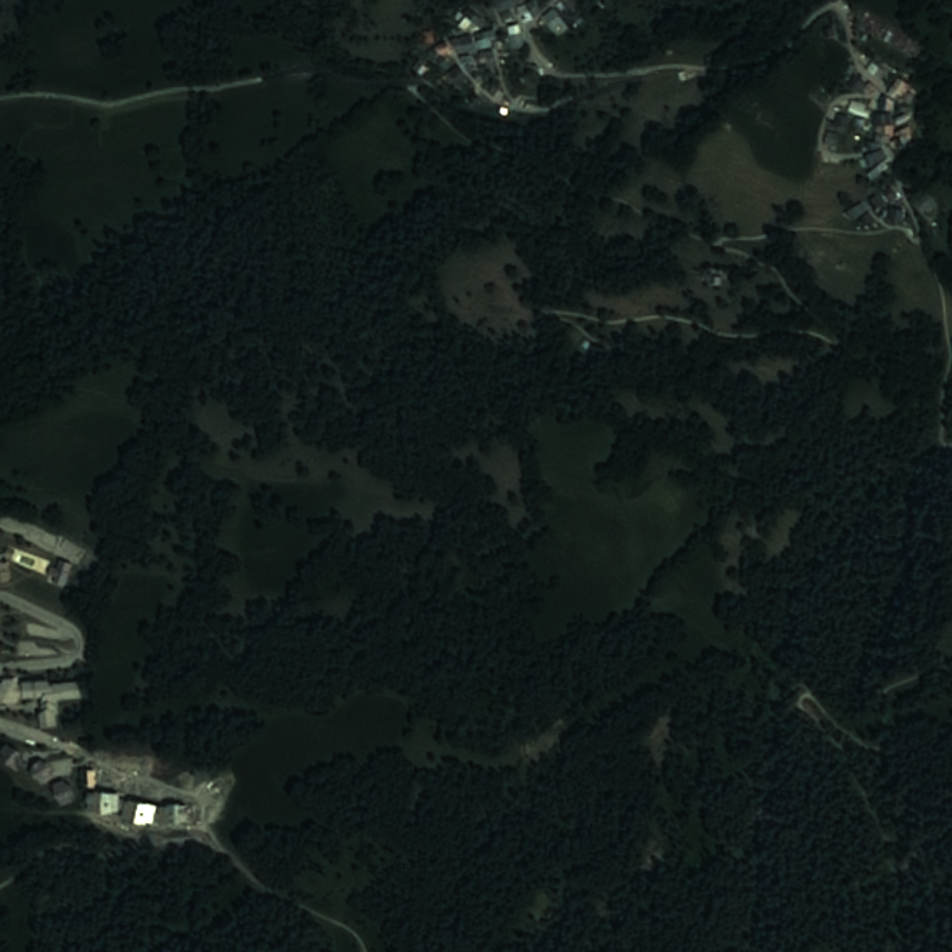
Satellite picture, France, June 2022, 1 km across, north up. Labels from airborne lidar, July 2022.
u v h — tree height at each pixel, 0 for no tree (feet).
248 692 81
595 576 0
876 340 64
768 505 63
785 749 94
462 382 81
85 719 57
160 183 35
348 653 103
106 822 0
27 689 0
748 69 39
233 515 69
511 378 80
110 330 80
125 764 0
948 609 72
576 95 46
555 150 86
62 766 0
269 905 77
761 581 77
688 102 0
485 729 56
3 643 27
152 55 0
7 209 80
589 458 0
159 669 73
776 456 73
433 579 68
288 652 84
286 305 97
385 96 31
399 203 30
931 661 49
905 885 89
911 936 107
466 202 52
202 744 93
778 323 60
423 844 74
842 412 57
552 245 79
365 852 32
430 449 69
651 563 0
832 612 61
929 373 63
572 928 96
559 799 82
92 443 0
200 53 64
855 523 41
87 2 0
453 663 91
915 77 35
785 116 0
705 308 52
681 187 0
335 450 47
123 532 79
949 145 25
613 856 93
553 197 50
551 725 85
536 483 70
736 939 82
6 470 0
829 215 0
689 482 49
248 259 83
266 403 85
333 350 77
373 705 0
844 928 58
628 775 84
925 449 34
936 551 61
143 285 83
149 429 44
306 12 77
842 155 0
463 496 71
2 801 0
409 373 77
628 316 0
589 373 70
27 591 0
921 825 58
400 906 72
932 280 0
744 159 0
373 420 92
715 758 72
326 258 38
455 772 60
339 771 67
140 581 0
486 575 65
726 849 28
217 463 0
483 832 73
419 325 52
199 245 97
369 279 75
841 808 59
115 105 0
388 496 0
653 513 0
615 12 24
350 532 67
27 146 0
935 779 67
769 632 73
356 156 0
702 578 0
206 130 48
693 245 0
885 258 50
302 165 47
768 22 55
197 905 72
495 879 77
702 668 54
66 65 0
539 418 65
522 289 51
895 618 52
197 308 105
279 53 0
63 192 0
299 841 78
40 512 48
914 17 51
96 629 59
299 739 0
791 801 74
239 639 32
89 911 94
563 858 91
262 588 0
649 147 52
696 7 37
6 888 0
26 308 59
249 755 0
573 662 61
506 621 48
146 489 84
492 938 111
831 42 0
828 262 0
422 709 70
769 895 62
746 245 0
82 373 42
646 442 62
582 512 0
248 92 0
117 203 0
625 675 65
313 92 34
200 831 0
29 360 86
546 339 58
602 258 56
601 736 92
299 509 36
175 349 70
